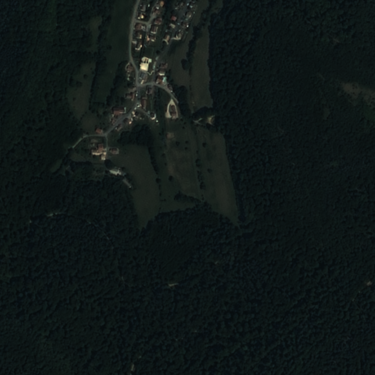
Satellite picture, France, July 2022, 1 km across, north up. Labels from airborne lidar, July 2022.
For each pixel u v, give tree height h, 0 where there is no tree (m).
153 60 0
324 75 11
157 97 8
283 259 36
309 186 18
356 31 28
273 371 25
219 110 28
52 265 25
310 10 28
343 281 25
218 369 9
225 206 0
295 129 22
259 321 33
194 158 0
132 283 25
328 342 19
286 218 36
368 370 26
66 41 31
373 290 23
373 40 14
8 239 33
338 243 18
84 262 27
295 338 9
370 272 26
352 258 21
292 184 17
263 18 24
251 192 32
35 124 35
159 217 11
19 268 32
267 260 35
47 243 33
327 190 22
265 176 33
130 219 27
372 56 16
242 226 7
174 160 0
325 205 22
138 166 0
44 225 31
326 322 24
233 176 8
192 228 22
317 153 24
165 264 12
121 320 16
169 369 34
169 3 20
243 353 8
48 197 17
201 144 0
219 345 12
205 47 0
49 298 29
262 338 15
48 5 17
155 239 14
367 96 0
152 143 15
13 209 11
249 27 32
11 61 22
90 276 31
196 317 29
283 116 13
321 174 23
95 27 0
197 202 17
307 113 17
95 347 34
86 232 21
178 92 22
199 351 29
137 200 0
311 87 12
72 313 28
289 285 31
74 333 30
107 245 19
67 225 25
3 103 27
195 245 17
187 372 32
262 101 22
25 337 20
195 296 9
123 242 28
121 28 0
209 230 32
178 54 0
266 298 34
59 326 24
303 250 26
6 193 22
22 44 27
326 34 28
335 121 11
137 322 34
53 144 13
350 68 13
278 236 38
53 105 28
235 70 33
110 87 0
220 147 0
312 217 21
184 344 23
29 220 9
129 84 11
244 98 28
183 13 0
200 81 0
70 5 32
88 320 30
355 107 11
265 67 19
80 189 17
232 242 30
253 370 33
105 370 36
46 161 17
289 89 14
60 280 25
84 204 23
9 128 15
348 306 20
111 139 0
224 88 26
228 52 28
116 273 26
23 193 27
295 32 16
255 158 32
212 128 25
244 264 20
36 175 19
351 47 22
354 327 22
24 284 22
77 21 31
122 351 29
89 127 0
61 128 10
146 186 0
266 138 24
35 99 22
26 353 25
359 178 27
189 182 0
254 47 24
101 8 28
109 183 10
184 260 12
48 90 27
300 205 20
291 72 15
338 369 23
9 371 18
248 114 29
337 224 22
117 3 0
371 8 13
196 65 0
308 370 23
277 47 17
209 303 29
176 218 14
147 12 9
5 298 29
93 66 0
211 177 0
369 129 7
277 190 31
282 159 21
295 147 23
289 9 35
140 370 15
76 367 28
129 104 0
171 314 28
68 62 35
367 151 18
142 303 27
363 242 22
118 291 20
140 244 28
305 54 11
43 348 14
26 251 32
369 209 25
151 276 25
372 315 23
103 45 22
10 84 34
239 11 32
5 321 18
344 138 18
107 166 18
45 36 10
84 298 27
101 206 22
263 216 29
